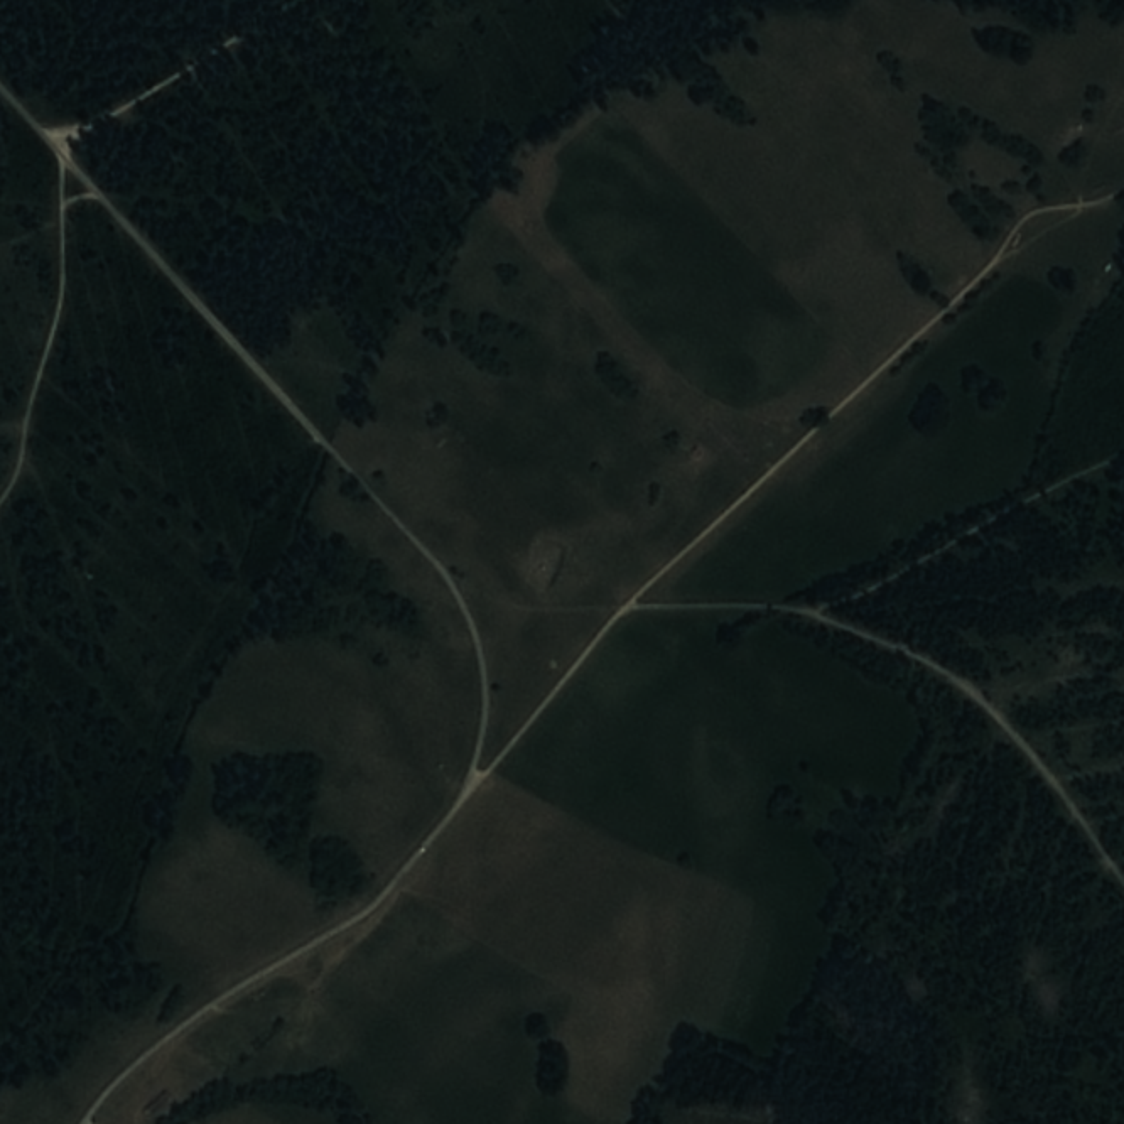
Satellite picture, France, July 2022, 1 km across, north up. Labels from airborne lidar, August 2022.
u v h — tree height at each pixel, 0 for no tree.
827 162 0
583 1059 0
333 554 11
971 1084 0
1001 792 12
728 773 0
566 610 0
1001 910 12
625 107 0
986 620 13
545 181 0
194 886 0
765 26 0
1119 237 0
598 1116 0
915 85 0
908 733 0
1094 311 7
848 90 0
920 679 7
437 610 0
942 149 9
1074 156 12
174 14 18
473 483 0
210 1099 7
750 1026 0
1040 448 7
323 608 8
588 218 0
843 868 20
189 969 0
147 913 0
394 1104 0
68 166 0
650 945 0
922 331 0
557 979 0
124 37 18
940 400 21
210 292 15
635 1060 0
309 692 0
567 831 0
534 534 0
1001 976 7
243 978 0
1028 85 0
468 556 0
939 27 0
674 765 0
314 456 6
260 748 0
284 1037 0
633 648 0
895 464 0
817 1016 5
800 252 0
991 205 9
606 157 0
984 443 0
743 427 0
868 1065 24
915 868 8
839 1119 22
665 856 0
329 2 17
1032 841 8
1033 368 0
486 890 0
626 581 0
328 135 20
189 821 0
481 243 0
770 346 0
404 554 0
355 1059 0
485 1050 0
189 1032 0
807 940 0
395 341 0
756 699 0
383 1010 0
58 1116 0
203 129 12
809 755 0
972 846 12
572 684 0
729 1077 15
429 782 0
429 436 0
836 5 22
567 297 0
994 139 7
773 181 0
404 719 0
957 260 0
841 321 0
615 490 0
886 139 0
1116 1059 27
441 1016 0
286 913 0
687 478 0
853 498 0
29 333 0
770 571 0
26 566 12
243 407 8
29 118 0
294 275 25
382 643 0
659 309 0
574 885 0
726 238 0
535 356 0
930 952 8
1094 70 0
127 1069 0
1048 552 11
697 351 0
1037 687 0
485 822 0
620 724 0
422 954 0
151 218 7
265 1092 8
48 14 9
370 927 0
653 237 0
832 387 0
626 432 0
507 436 0
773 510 0
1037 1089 11
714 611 0
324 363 0
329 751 0
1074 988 6
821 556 0
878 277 0
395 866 0
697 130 0
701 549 0
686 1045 20
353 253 17
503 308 0
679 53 25
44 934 19
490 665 0
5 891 11
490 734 0
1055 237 0
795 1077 19
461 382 0
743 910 0
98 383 12
